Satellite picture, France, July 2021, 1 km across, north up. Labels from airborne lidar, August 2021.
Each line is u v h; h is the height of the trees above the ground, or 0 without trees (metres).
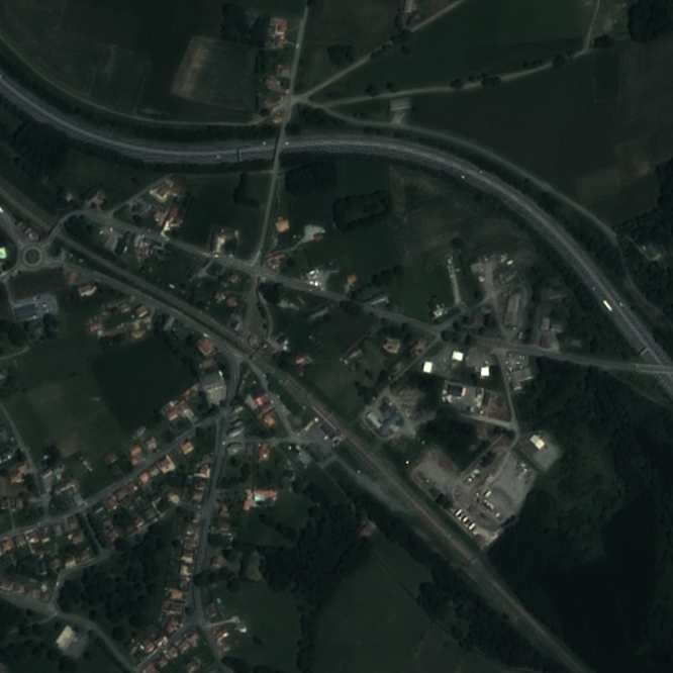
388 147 0
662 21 23
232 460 5
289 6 0
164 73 0
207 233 0
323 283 0
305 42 0
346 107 0
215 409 15
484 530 0
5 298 7
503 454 0
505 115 0
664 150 0
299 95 0
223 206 0
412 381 6
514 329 0
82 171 0
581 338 8
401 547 10
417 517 0
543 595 19
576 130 0
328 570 12
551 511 10
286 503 0
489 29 0
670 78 0
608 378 12
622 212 0
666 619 21
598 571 10
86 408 0
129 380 0
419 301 0
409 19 9
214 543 19
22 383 0
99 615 21
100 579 23
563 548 8
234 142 0
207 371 7
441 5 0
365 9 0
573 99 0
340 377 0
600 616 12
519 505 0
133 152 0
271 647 0
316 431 0
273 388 16
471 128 0
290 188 20
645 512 6
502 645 16
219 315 0
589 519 7
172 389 0
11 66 13
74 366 0
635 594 10
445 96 0
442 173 13
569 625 14
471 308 0
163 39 0
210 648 0
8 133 10
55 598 0
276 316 0
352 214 0
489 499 0
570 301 9
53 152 19
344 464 0
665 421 10
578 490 7
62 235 0
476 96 0
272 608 0
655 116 0
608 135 0
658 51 0
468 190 9
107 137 0
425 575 0
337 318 0
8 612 22
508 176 11
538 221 0
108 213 0
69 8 0
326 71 0
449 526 0
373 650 0
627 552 10
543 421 6
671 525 15
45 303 0
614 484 6
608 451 6
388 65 0
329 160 9
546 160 0
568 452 6
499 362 0
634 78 0
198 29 0
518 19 0
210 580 15
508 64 0
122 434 0
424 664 0
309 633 17
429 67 0
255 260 0
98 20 0
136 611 26
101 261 0
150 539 21
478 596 7
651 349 0
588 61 0
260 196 0
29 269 0
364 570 0
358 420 0
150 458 0
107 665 0
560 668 18
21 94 0
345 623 0
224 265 0
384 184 0
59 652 12
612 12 0
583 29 0
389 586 0
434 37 0
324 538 22
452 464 0
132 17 0
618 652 8
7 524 0
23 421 0
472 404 0
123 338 6
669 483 21
